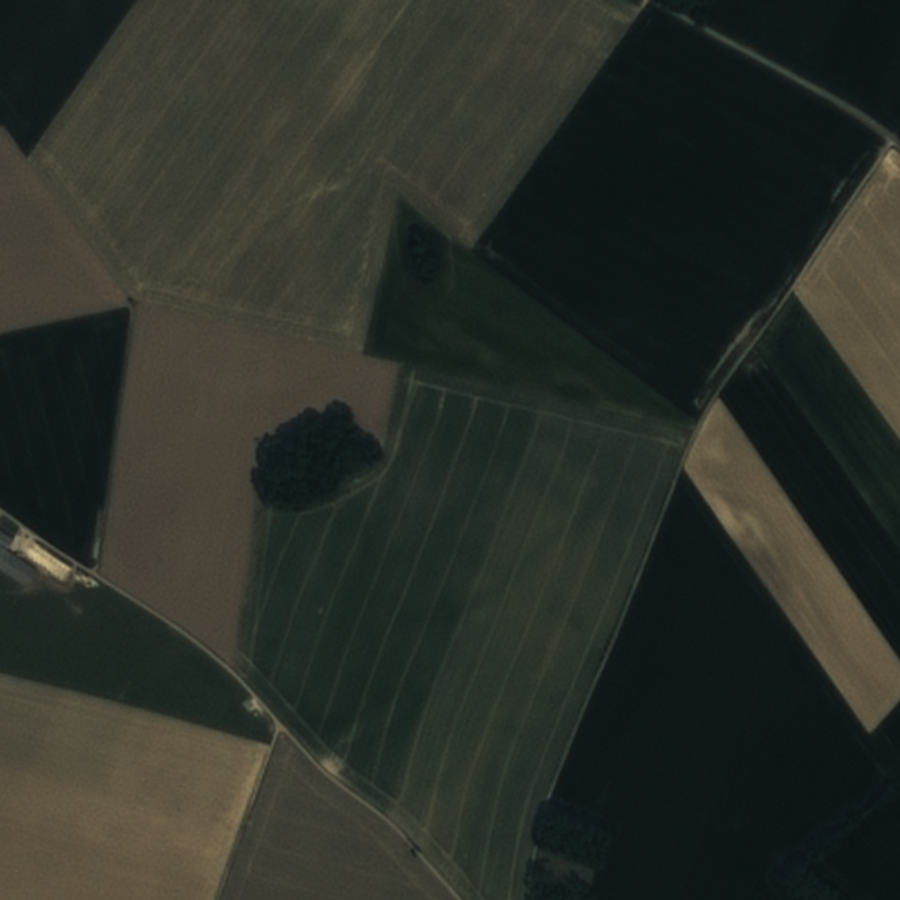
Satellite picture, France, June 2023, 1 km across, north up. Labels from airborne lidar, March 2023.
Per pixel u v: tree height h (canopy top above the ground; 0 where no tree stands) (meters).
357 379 0
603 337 0
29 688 0
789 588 0
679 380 0
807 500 0
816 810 0
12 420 0
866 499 0
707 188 0
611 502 0
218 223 0
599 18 0
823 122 0
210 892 0
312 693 0
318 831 0
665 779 0
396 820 0
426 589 0
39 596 0
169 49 0
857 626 0
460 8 0
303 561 0
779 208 0
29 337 0
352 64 0
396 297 0
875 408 0
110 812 0
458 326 0
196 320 0
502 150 0
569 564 0
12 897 0
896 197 0
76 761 0
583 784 0
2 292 0
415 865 0
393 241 0
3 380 0
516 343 0
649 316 0
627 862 0
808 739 0
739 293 0
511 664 0
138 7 0
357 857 0
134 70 0
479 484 0
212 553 0
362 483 0
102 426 0
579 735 0
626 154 0
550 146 0
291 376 0
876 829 0
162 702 0
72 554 0
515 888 0
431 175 0
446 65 0
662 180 0
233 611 0
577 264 0
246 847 0
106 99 0
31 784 0
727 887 0
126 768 0
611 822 0
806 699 0
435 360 0
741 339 0
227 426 0
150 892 0
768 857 0
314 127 0
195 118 0
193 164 0
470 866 0
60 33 0
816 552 0
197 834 0
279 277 0
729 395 0
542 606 0
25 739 0
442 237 0
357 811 0
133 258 0
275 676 0
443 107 0
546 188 0
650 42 0
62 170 0
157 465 0
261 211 0
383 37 0
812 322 0
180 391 0
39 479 0
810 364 0
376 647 0
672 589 0
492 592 0
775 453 0
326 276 0
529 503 0
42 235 0
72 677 0
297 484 29
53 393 0
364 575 0
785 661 0
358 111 0
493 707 0
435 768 0
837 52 0
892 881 0
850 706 0
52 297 0
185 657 0
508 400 0
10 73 0
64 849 0
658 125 0
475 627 0
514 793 0
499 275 0
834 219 0
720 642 0
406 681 0
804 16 0
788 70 0
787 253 0
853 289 0
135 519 0
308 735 0
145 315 0
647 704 0
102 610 0
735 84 0
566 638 0
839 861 0
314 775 0
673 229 0
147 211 0
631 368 0
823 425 0
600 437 0
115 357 0
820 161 0
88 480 0
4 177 0
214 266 0
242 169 0
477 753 0
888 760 0
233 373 0
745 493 0
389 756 0
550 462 0
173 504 0
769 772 0
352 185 0
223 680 0
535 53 0
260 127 0
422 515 0
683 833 0
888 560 0
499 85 0
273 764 0
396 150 0
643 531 0
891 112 0
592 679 0
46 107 0
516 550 0
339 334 0
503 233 0
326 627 0
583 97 0
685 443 0
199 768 0
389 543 0
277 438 8
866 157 0
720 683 0
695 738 0
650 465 0
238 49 0
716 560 0
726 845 0
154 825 0
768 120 0
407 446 0
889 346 0
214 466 0
